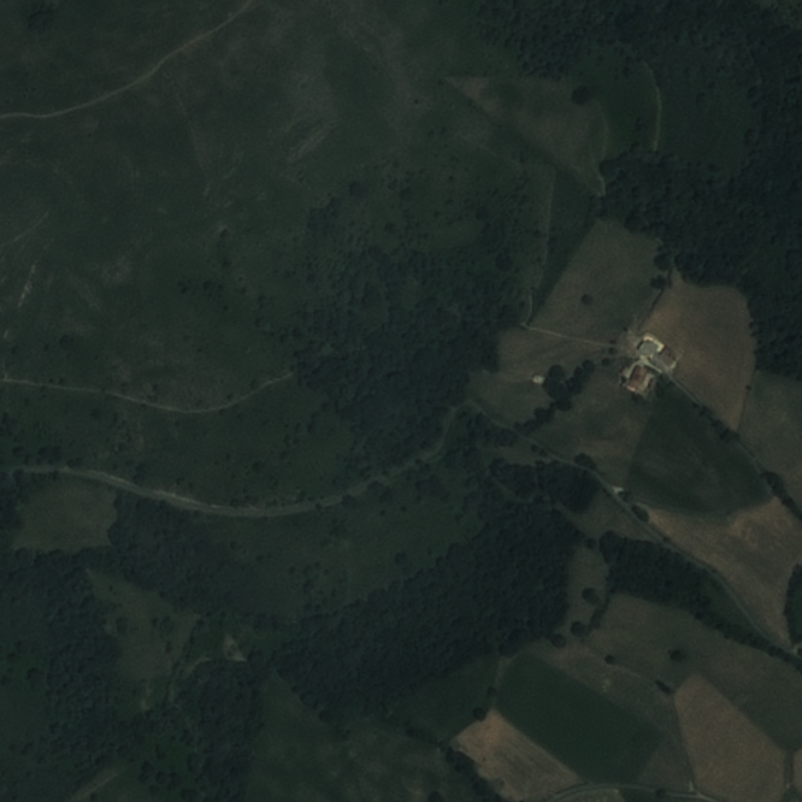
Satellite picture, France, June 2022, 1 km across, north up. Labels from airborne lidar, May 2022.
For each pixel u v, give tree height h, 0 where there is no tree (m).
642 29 22
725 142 0
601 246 0
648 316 0
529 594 13
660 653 0
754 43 15
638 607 0
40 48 0
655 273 0
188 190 0
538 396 0
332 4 0
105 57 0
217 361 0
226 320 0
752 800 0
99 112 0
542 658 0
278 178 0
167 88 0
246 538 0
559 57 14
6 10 0
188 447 0
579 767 0
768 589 0
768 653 6
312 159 0
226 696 20
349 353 7
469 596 15
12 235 0
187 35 0
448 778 0
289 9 0
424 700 0
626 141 0
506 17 12
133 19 0
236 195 0
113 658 24
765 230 17
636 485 0
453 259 10
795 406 0
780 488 11
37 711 0
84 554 12
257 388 8
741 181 14
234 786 14
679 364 0
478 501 18
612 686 0
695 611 14
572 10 11
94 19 0
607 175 16
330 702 16
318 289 6
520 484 22
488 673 0
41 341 0
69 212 0
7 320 0
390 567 0
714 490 0
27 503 13
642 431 0
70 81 0
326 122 0
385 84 0
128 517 8
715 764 0
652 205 10
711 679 0
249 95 0
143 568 16
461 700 0
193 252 0
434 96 0
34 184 0
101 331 0
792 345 23
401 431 25
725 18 24
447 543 0
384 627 6
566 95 0
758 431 0
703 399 0
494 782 0
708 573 11
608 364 8
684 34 13
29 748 10
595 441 0
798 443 0
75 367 0
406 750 0
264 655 13
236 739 8
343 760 0
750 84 15
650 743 0
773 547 0
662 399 6
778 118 19
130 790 0
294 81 0
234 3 0
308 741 0
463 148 0
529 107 0
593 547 16
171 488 0
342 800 0
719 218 20
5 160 0
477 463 24
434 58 0
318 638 15
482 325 11
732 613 0
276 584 0
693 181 19
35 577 15
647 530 0
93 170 0
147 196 0
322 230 13
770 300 12
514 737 0
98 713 24
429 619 15
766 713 0
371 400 23
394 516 0
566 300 0
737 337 0
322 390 11
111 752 14
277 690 0
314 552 0
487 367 18
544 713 0
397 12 0
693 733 0
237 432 0
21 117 0
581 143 0
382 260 15
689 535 0
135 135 0
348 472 8
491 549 16
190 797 18
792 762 0
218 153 0
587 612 0
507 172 0
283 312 0
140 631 0
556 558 15
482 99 0
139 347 0
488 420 16
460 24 0
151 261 0
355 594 0
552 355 0
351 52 0
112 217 0
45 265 0
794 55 14
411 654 12
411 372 18
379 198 0
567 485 23
